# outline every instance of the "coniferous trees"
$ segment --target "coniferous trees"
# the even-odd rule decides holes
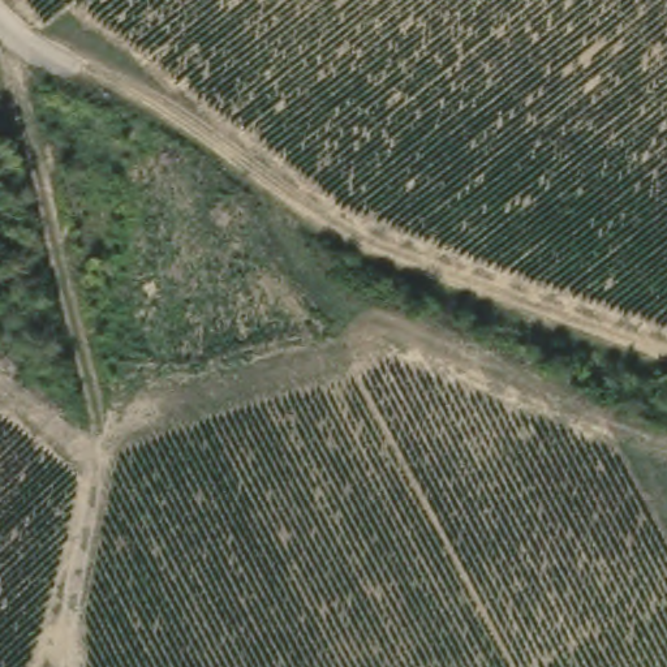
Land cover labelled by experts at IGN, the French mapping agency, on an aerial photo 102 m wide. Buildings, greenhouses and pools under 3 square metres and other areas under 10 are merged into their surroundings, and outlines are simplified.
[[[479,297],[469,289],[451,289],[438,276],[422,268],[404,268],[388,258],[367,255],[360,250],[354,240],[344,240],[331,229],[323,229],[320,245],[331,253],[331,268],[326,274],[347,284],[347,289],[357,292],[357,297],[370,310],[380,307],[406,318],[419,318],[422,323],[438,331],[451,331],[464,341],[477,341],[479,347],[498,352],[505,362],[516,367],[521,365],[534,367],[539,373],[550,373],[560,391],[578,391],[586,401],[602,406],[604,414],[617,422],[667,433],[667,357],[651,360],[638,354],[636,349],[620,349],[589,339],[565,326],[545,326],[542,320],[526,320],[518,310],[500,307],[498,302]]]

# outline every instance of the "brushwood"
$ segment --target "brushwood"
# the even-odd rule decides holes
[[[16,383],[21,388],[42,391],[42,399],[63,412],[65,422],[86,430],[89,414],[81,375],[76,370],[78,339],[68,334],[63,320],[60,289],[55,271],[50,266],[44,219],[39,214],[39,190],[31,180],[39,162],[23,135],[21,107],[16,104],[8,89],[0,91],[0,357],[16,365]]]
[[[177,297],[177,281],[172,276],[159,276],[156,271],[169,268],[172,261],[180,255],[180,250],[172,245],[172,237],[175,229],[182,224],[185,211],[169,206],[162,198],[154,198],[154,182],[133,182],[128,175],[128,169],[135,162],[143,162],[146,156],[159,156],[154,138],[156,128],[151,125],[151,120],[156,117],[141,104],[89,78],[55,76],[42,65],[34,65],[26,73],[29,96],[34,104],[36,122],[47,133],[50,146],[55,151],[52,188],[57,214],[60,221],[70,227],[65,250],[73,263],[73,284],[83,305],[86,326],[94,328],[89,339],[107,406],[112,406],[112,401],[130,404],[143,391],[149,378],[188,373],[185,365],[172,362],[172,354],[180,354],[185,334],[193,331],[193,326],[185,320],[188,305]]]

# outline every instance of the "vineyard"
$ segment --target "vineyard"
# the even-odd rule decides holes
[[[636,451],[636,443],[628,438],[620,440],[620,451],[612,453],[607,443],[578,438],[565,425],[555,425],[545,417],[526,412],[508,412],[503,401],[495,401],[479,391],[464,391],[461,383],[446,383],[440,375],[427,375],[419,367],[401,365],[393,360],[378,362],[378,367],[373,367],[362,380],[352,380],[347,386],[347,393],[336,399],[323,391],[294,393],[287,399],[263,401],[261,406],[240,409],[227,417],[206,419],[193,430],[162,435],[159,440],[151,440],[146,446],[120,451],[112,466],[107,513],[99,521],[102,545],[96,547],[96,555],[89,563],[94,568],[94,581],[89,586],[89,604],[83,617],[86,667],[667,667],[667,461],[657,459],[654,453]]]
[[[63,545],[68,542],[76,477],[65,466],[60,466],[50,453],[34,448],[34,443],[18,427],[0,419],[0,667],[26,667],[42,633],[44,604],[60,565]]]
[[[219,109],[227,120],[240,122],[248,130],[255,130],[274,151],[287,156],[287,162],[297,167],[307,180],[318,182],[326,193],[331,193],[336,203],[357,214],[375,214],[375,219],[386,219],[401,232],[435,240],[438,245],[448,245],[477,261],[487,261],[505,271],[524,274],[532,281],[552,284],[568,289],[571,294],[597,300],[623,313],[636,313],[646,320],[667,326],[667,0],[29,0],[29,5],[42,16],[44,29],[70,16],[65,5],[83,3],[99,21],[125,34],[125,39],[130,39],[135,47],[146,50],[175,78],[188,78],[190,86],[201,96],[206,96],[206,102],[214,109]]]

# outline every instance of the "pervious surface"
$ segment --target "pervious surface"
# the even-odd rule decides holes
[[[297,211],[307,224],[323,229],[331,229],[344,240],[354,240],[360,250],[367,255],[388,258],[404,268],[422,268],[438,276],[451,289],[469,289],[479,297],[498,302],[500,307],[518,310],[526,320],[542,320],[545,326],[565,326],[589,339],[620,349],[636,349],[638,354],[651,360],[667,357],[667,326],[646,320],[636,313],[623,313],[597,300],[571,294],[568,289],[552,284],[532,281],[524,274],[505,271],[487,261],[477,261],[448,245],[438,245],[435,240],[401,232],[386,219],[375,219],[375,214],[357,214],[336,203],[331,193],[326,193],[318,182],[307,180],[297,167],[287,162],[287,156],[274,151],[255,130],[248,130],[240,122],[227,120],[219,109],[214,109],[206,102],[206,96],[201,96],[190,86],[188,78],[175,78],[146,50],[135,47],[130,39],[125,39],[125,34],[99,21],[83,3],[65,5],[70,16],[78,18],[86,29],[104,36],[117,50],[122,50],[125,55],[130,55],[156,81],[162,81],[156,91],[151,91],[128,73],[96,57],[81,55],[57,39],[29,31],[3,5],[3,0],[0,0],[0,42],[8,50],[23,55],[34,65],[42,65],[55,76],[89,78],[141,104],[156,117],[182,130],[208,151],[214,151],[240,177],[271,193],[276,201]]]

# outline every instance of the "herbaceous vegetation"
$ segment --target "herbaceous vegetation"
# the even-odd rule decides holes
[[[86,326],[83,305],[73,284],[73,263],[65,250],[70,227],[60,221],[57,214],[52,188],[55,151],[50,146],[47,133],[36,122],[34,104],[29,96],[26,73],[34,65],[23,55],[8,50],[0,42],[0,91],[8,89],[16,104],[21,107],[23,135],[39,162],[31,180],[39,190],[39,214],[44,219],[50,266],[55,271],[60,289],[63,320],[68,334],[78,339],[76,370],[81,375],[89,414],[86,430],[65,422],[63,412],[42,399],[42,391],[21,388],[16,383],[16,365],[0,357],[0,419],[18,427],[34,443],[34,448],[50,453],[60,466],[65,466],[76,477],[68,542],[63,545],[60,565],[44,604],[42,633],[26,667],[86,667],[83,617],[89,604],[89,586],[94,581],[94,568],[89,563],[96,555],[96,547],[102,545],[99,521],[107,513],[112,466],[120,451],[146,446],[151,440],[159,440],[162,435],[193,430],[206,419],[227,417],[240,409],[261,406],[263,401],[287,399],[294,393],[323,391],[336,399],[347,393],[347,386],[352,380],[362,380],[373,367],[378,367],[378,362],[393,360],[401,365],[419,367],[427,375],[440,375],[446,383],[461,383],[464,391],[479,391],[495,401],[503,401],[508,412],[526,412],[545,417],[555,425],[565,425],[578,438],[607,443],[612,453],[620,451],[620,440],[628,438],[636,443],[636,451],[654,453],[657,459],[667,461],[667,433],[617,422],[604,414],[602,406],[586,401],[578,391],[560,391],[550,373],[539,373],[534,367],[521,365],[516,367],[505,362],[498,352],[479,347],[477,341],[464,341],[451,331],[438,331],[422,323],[419,318],[406,318],[380,307],[370,310],[357,297],[357,292],[347,289],[347,284],[326,274],[331,268],[331,253],[320,245],[323,229],[307,224],[297,211],[276,201],[271,193],[240,177],[214,151],[208,151],[182,130],[156,117],[151,120],[151,125],[156,128],[154,138],[159,156],[146,156],[143,162],[135,162],[128,169],[128,175],[133,182],[154,182],[154,198],[162,198],[169,206],[185,211],[182,224],[175,229],[172,237],[172,245],[180,250],[180,255],[172,261],[169,268],[156,271],[159,276],[172,276],[177,281],[177,297],[188,305],[185,320],[193,326],[193,331],[185,334],[180,354],[172,354],[172,362],[185,365],[188,373],[149,378],[143,391],[130,404],[112,401],[112,406],[107,406],[89,339],[94,328]]]
[[[130,55],[125,55],[122,50],[117,50],[104,36],[86,29],[78,18],[70,16],[44,29],[42,16],[29,5],[29,0],[3,0],[3,5],[29,31],[57,39],[81,55],[96,57],[128,73],[151,91],[156,91],[162,81],[156,81]]]

